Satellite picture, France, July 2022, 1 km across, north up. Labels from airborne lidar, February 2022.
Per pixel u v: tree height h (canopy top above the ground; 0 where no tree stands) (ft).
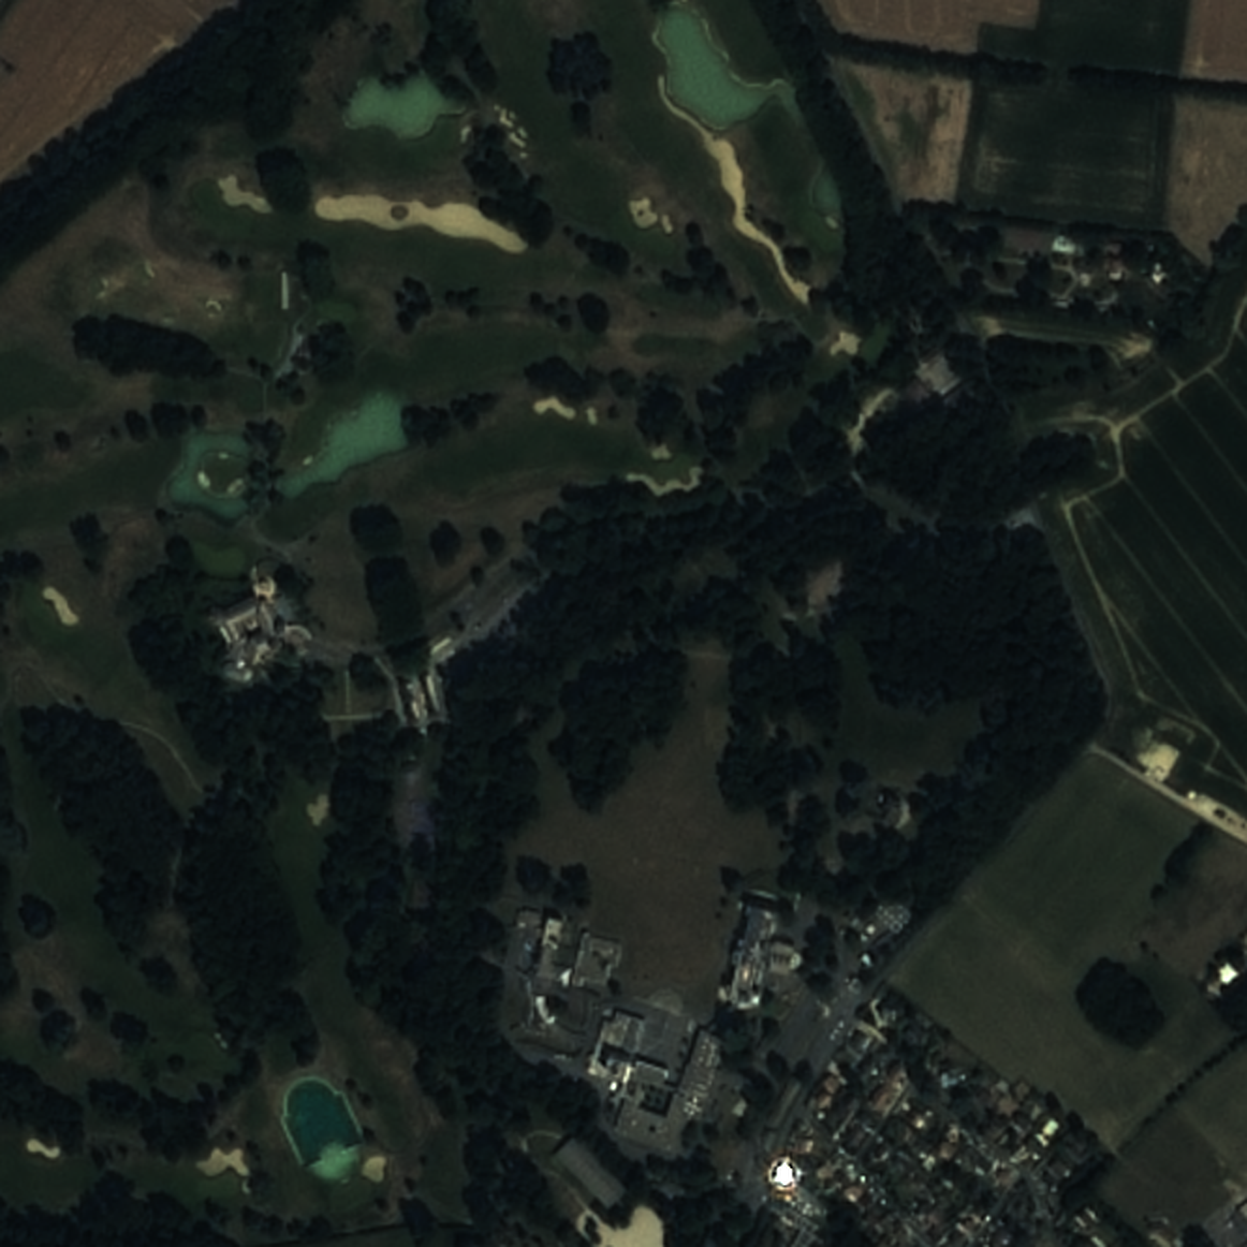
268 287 0
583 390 59
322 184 0
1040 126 0
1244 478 0
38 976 0
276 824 0
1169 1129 0
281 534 0
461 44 62
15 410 0
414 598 75
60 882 0
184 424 58
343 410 0
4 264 98
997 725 72
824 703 88
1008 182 0
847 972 0
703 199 0
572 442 0
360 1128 0
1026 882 0
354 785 85
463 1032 80
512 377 0
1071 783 0
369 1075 0
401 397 0
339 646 0
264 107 94
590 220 0
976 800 87
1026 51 0
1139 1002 79
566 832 0
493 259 0
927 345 22
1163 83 42
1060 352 37
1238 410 0
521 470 0
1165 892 33
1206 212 0
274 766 63
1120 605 0
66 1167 0
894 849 72
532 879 90
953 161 0
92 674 0
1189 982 0
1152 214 0
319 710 76
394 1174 0
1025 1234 65
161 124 94
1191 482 0
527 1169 90
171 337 46
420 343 0
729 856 0
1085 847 0
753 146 0
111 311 0
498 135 46
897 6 0
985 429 101
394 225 0
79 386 0
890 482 54
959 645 88
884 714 0
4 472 0
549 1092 70
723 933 0
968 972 0
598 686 83
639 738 84
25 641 0
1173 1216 0
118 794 127
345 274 0
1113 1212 18
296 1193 0
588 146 0
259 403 0
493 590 0
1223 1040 0
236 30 65
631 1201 38
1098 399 0
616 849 0
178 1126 63
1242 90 47
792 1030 0
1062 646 106
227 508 0
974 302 38
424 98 0
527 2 0
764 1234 44
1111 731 0
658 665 64
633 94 0
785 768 85
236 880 46
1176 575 0
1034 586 74
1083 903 0
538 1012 0
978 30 0
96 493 0
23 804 0
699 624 90
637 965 0
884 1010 0
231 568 0
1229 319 0
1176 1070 0
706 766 0
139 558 0
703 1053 0
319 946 0
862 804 73
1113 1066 0
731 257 0
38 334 0
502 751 70
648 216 0
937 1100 50
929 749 0
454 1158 0
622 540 92
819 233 0
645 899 0
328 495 0
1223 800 0
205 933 84
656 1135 0
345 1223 0
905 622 106
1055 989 0
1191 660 0
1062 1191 24
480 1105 86
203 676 46
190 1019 0
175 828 65
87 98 0
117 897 92
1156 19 0
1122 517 0
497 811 53
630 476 0
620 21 0
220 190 0
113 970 0
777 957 0
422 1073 47
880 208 68
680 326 0
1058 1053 0
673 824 0
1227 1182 0
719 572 0
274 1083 0
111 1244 80
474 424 39
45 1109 66
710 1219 23
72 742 85
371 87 0
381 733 67
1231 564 0
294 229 0
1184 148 0
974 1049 0
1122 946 0
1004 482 94
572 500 65
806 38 65
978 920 0
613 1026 0
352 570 0
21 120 0
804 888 49
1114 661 0
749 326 0
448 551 69
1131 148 0
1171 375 0
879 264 92
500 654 87
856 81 0
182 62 56
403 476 0
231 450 0
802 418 0
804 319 0
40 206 89
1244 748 0
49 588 0
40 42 0
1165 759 0
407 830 0
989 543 95
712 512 74
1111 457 0
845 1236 58
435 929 57
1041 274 69
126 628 0
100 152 94
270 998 48
